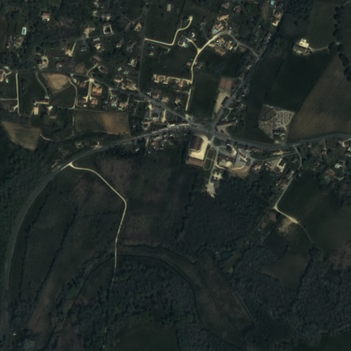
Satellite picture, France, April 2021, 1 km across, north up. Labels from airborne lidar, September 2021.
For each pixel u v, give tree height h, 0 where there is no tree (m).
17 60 12
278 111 0
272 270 0
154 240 11
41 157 21
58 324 26
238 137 0
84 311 19
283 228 0
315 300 20
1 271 26
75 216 9
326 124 0
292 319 22
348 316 16
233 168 0
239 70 9
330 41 0
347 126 0
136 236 0
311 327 25
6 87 0
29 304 18
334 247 0
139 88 0
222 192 21
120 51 14
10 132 0
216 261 20
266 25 0
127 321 16
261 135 0
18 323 23
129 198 0
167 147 0
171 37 0
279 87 0
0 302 23
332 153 16
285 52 0
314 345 15
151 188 0
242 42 11
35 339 20
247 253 13
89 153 0
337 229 0
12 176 20
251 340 33
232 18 0
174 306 24
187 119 0
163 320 12
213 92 0
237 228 10
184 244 12
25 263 17
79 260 0
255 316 30
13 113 12
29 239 8
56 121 9
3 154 0
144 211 0
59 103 0
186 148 15
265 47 15
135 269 22
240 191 17
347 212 0
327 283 26
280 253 0
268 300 19
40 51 19
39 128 0
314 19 0
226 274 7
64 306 24
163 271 18
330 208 0
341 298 18
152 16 0
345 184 12
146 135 0
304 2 8
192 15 0
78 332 24
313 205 0
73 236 21
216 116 12
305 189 0
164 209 0
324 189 11
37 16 20
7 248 27
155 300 16
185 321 29
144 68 0
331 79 0
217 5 7
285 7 15
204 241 17
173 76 0
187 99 0
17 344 12
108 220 16
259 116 0
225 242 14
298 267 0
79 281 19
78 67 0
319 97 0
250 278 15
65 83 0
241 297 28
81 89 0
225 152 0
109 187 0
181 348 13
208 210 18
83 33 20
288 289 7
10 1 15
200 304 0
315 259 29
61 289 17
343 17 12
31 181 11
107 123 0
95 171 0
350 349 0
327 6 0
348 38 0
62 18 19
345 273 8
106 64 0
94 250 11
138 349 0
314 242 0
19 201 23
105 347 15
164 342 0
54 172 0
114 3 11
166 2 0
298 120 0
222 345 18
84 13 16
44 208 6
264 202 0
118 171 0
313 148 10
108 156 16
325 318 13
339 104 0
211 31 11
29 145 0
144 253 0
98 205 0
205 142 0
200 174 14
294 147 0
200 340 20
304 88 0
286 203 0
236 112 13
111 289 14
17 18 21
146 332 0
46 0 19
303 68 0
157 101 7
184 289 29
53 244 8
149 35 0
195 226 17
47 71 9
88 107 0
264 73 0
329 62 0
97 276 0
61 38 12
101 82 0
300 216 0
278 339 32
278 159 0
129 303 14
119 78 0
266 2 8
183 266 0
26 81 14
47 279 10
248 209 11
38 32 19
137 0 0
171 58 0
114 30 8
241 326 0
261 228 6
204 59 0
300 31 0
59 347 0
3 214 27
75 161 0
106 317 14
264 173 6
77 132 0
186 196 0
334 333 16
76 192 0
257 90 0
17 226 0
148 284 17
